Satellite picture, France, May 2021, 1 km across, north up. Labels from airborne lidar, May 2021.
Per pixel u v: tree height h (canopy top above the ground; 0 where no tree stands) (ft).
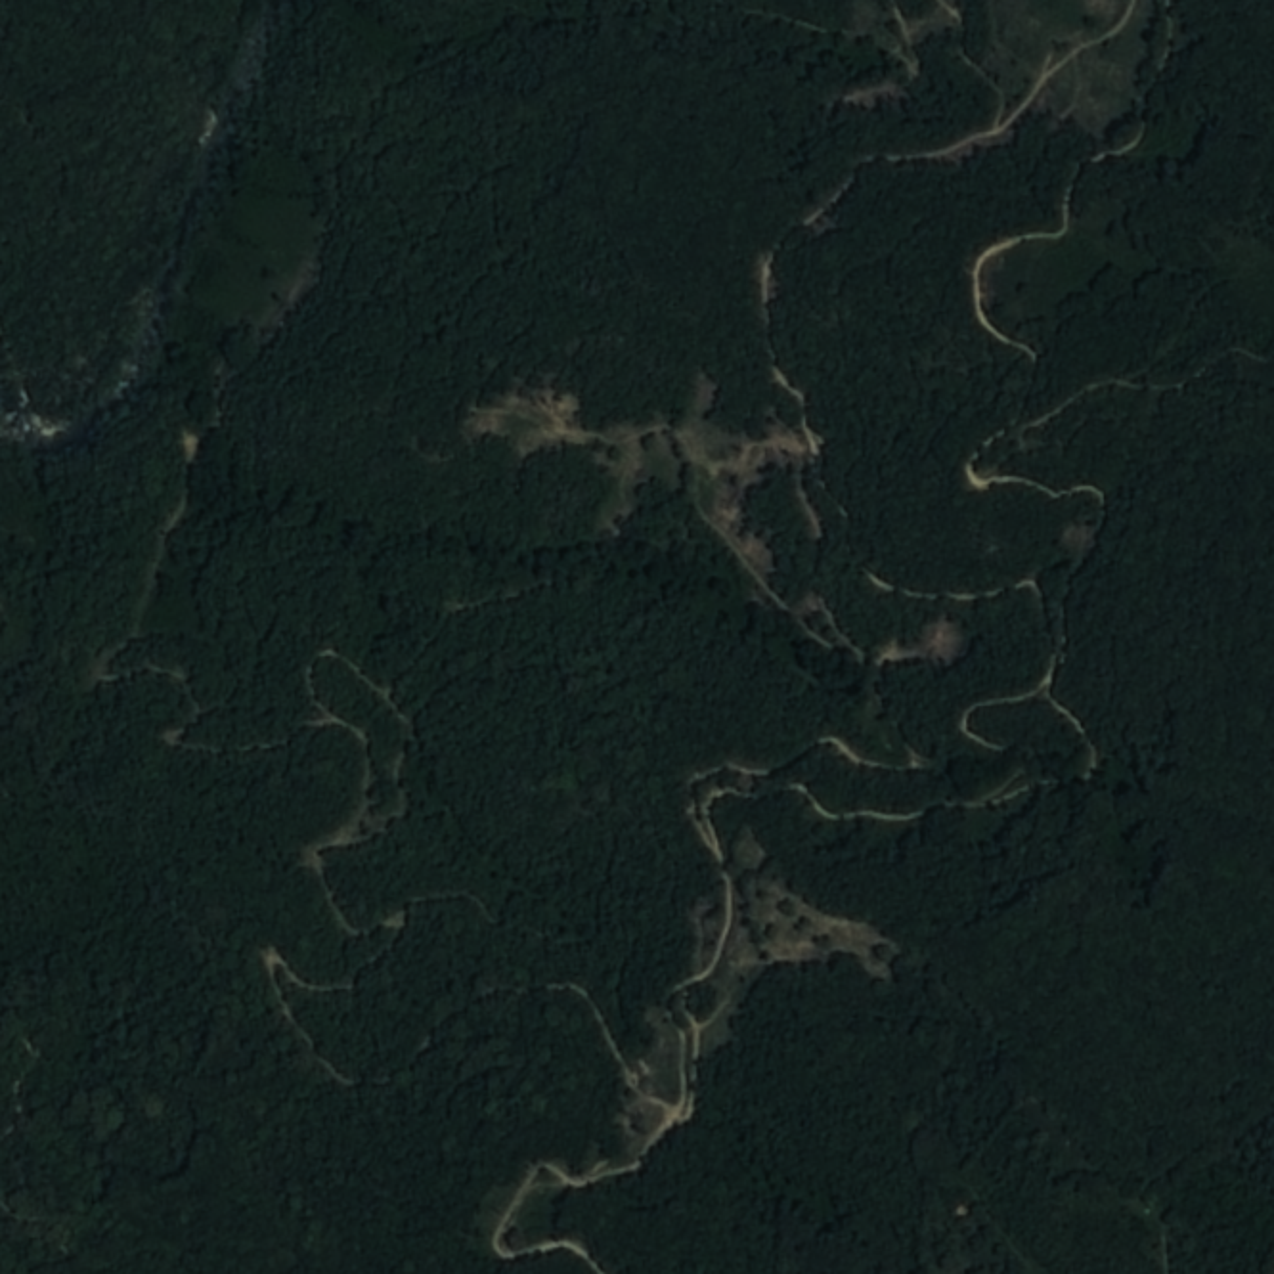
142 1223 52
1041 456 30
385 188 29
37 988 34
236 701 30
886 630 44
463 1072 37
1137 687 37
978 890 51
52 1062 21
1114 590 29
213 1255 42
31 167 46
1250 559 24
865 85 51
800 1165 31
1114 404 26
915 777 49
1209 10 35
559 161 29
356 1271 34
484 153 30
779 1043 19
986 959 66
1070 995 53
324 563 44
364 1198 40
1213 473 43
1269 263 0
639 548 57
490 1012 39
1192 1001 69
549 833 32
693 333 24
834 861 31
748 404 30
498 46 26
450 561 25
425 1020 39
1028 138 30
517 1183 34
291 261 0
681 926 28
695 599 55
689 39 72
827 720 44
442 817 34
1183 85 47
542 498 28
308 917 34
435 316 19
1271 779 37
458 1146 36
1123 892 87
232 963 28
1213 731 42
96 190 21
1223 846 64
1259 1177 36
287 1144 25
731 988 0
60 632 25
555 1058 30
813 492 28
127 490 23
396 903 27
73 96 35
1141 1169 36
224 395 24
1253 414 40
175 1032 22
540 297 25
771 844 33
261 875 31
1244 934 46
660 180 48
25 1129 44
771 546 38
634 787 19
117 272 39
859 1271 53
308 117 24
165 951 20
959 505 26
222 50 38
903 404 43
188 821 28
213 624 36
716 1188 35
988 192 26
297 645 30
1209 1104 60
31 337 27
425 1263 27
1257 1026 56
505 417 0
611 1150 48
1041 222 27
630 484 0
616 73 54
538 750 31
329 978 28
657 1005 28
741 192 41
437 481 21
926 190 34
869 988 39
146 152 31
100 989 48
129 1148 29
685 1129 40
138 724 27
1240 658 43
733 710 45
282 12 45
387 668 45
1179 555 44
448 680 19
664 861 26
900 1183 22
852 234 40
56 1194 37
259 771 28
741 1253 39
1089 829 41
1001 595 30
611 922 28
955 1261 48
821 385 34
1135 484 32
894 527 27
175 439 33
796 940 0
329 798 32
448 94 23
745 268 41
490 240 37
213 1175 48
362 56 27
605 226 35
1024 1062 52
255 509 22
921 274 28
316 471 31
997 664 39
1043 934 72
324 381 30
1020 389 27
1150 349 44
